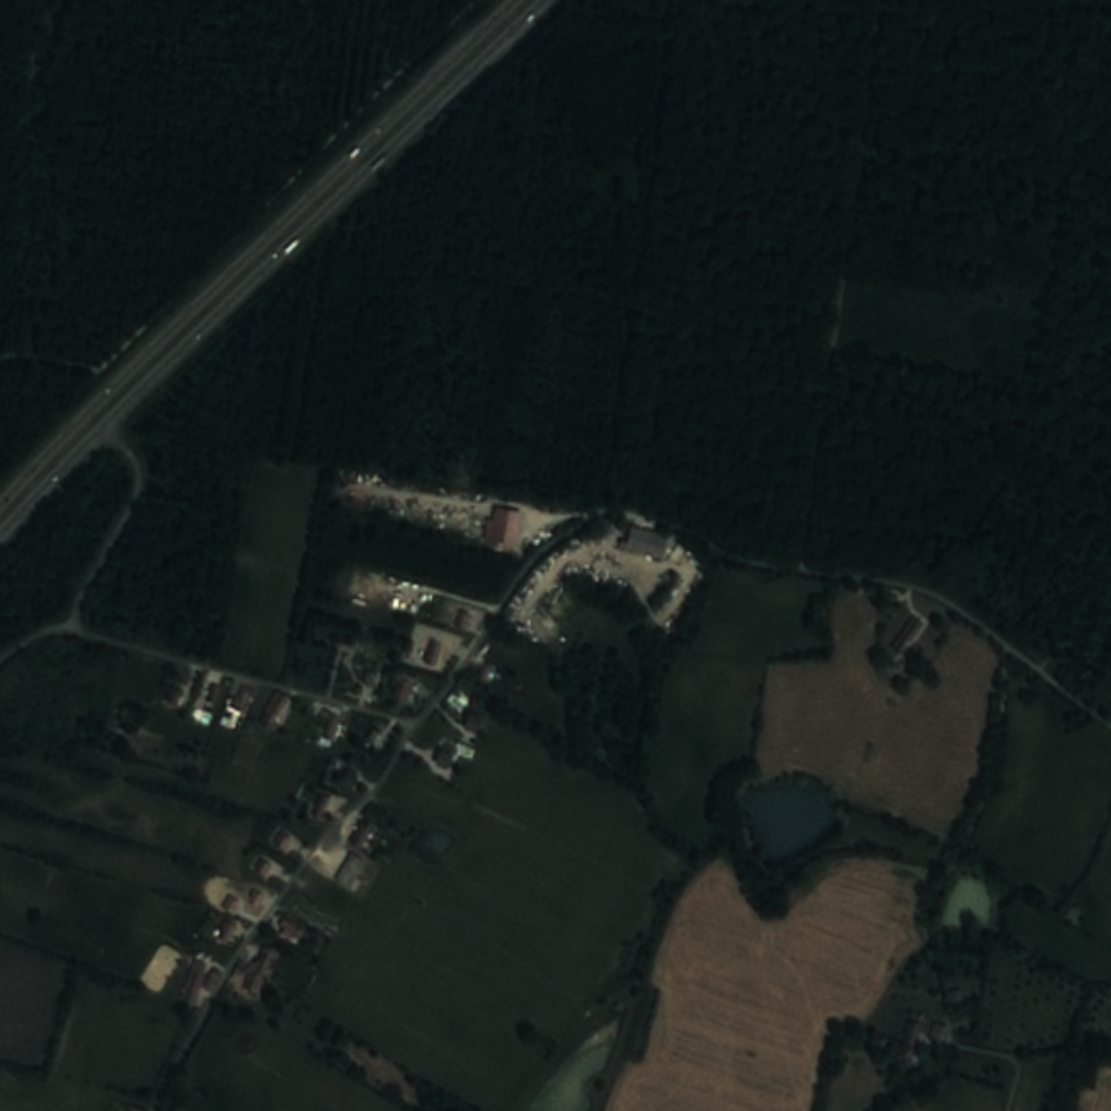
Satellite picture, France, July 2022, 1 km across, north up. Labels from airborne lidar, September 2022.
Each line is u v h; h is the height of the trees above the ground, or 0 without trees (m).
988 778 13
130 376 0
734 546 15
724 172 22
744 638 0
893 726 0
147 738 0
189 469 19
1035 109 23
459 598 0
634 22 22
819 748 0
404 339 24
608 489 6
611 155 16
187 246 21
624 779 16
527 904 0
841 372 24
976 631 11
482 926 0
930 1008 0
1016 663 13
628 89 18
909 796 0
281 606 0
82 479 10
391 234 18
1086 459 25
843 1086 0
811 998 0
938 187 22
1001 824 0
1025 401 25
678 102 23
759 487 23
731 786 13
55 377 18
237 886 0
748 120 23
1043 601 8
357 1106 0
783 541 21
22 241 22
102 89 24
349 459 16
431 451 18
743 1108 0
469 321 22
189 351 0
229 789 0
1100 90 17
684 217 17
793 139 21
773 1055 0
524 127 24
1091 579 17
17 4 21
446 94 0
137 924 0
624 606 13
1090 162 20
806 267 19
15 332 12
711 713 0
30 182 23
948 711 0
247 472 7
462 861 0
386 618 0
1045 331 25
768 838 0
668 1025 0
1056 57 24
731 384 22
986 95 23
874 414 22
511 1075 0
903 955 0
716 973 0
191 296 0
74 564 13
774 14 22
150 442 7
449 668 5
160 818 0
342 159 0
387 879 0
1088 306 25
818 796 0
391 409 22
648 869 0
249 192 23
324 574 8
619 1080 0
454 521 0
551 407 9
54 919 0
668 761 0
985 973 6
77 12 23
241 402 22
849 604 0
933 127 29
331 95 19
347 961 0
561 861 0
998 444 26
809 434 14
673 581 8
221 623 11
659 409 26
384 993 0
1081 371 18
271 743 0
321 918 0
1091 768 0
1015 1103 0
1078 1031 13
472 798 0
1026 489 23
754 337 22
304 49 23
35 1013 0
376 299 21
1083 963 0
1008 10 22
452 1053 0
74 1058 0
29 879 0
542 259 14
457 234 25
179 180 24
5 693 0
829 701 0
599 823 0
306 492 0
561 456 8
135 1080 0
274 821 6
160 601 20
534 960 0
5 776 7
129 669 0
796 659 7
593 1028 0
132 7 25
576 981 0
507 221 23
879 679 0
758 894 16
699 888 0
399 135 0
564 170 14
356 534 16
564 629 0
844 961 0
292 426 19
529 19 0
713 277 24
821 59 19
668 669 13
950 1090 0
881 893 0
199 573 19
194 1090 0
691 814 0
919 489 22
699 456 25
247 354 24
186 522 14
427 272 25
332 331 25
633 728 13
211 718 0
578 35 13
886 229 26
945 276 19
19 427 14
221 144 23
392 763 0
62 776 0
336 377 22
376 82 15
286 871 0
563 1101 0
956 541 17
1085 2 11
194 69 18
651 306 23
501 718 19
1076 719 10
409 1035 0
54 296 15
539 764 0
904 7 23
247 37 19
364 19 13
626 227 17
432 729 0
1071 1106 18
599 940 0
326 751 0
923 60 19
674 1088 0
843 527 20
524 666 0
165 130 19
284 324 21
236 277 0
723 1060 0
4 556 10
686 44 23
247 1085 0
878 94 16
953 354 0
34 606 16
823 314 25
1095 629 24
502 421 9
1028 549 15
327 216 0
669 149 26
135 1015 0
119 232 22
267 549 0
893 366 18
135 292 22
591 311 8
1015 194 25
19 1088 0
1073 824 0
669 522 10
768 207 22
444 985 0
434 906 0
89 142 21
